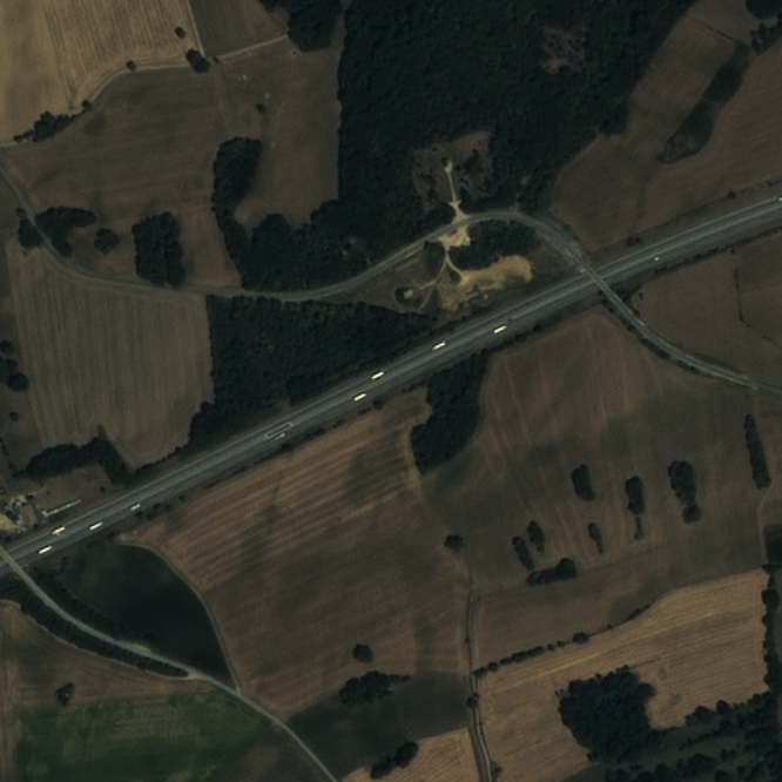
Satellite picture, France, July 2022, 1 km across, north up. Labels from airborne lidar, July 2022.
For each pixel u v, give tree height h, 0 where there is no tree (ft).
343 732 0
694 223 0
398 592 0
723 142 0
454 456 46
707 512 0
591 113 69
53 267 0
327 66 0
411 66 74
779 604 41
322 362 26
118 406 0
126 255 0
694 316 0
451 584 0
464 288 0
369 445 0
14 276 0
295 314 28
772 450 0
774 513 0
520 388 0
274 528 0
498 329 0
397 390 0
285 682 0
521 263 0
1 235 0
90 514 0
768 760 46
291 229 52
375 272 0
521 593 0
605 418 0
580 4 27
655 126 0
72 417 0
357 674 0
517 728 0
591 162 0
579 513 0
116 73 0
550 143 41
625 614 0
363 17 26
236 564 0
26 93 0
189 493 0
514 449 0
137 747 0
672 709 0
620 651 0
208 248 0
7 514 28
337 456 0
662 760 0
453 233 0
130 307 0
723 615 0
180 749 0
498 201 40
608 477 0
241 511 0
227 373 26
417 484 0
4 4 0
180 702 0
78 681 0
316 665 0
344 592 0
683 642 0
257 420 0
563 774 0
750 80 0
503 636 0
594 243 0
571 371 0
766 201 0
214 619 0
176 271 54
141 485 0
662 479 0
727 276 0
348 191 70
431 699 0
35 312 0
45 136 36
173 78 0
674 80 0
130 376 0
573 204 0
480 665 0
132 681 0
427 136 53
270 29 0
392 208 49
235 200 65
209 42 0
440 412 26
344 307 31
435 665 0
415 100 61
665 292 0
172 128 0
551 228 0
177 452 28
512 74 50
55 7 0
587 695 79
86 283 0
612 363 0
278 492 0
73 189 0
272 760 0
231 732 0
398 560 0
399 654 0
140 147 0
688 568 0
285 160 0
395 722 0
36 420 0
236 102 0
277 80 0
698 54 0
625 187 0
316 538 0
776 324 0
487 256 28
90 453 57
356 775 0
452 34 44
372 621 0
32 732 0
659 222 0
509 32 52
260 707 0
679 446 0
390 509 0
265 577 0
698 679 0
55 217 58
